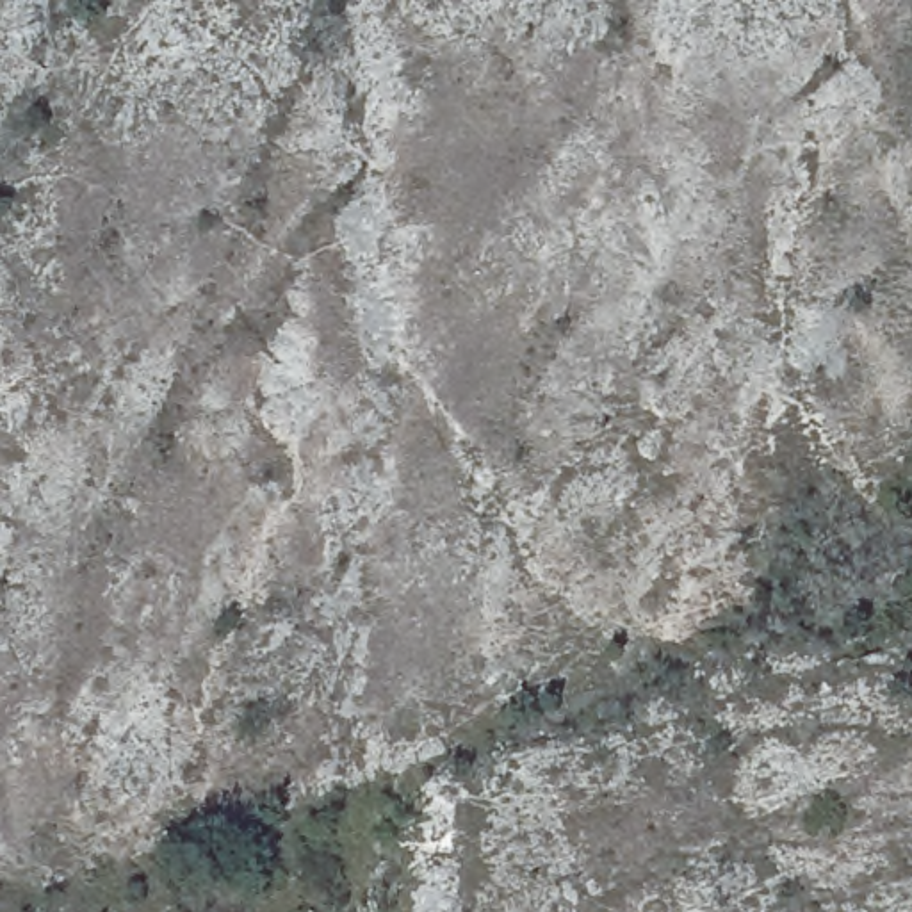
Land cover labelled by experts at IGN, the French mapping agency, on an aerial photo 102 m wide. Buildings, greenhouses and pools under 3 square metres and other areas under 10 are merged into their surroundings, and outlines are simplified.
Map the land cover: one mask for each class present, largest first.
<instances>
[{"label":"bare soil","instance_id":"1","mask_svg":"<svg viewBox=\"0 0 912 912\"><path fill-rule=\"evenodd\" d=\"M346 11L356 50L338 53L335 61H321L314 68V82L303 89L289 132L278 139L281 150L271 160V228L264 239H257L242 224L239 185L249 164H257L260 157L267 107H278V93L299 75V57H292L289 39L306 29L310 7L303 0H110L103 14L121 18L128 29L114 39V53H100V43L93 39L82 18H75L64 29H50L46 0H0V125L11 114V100L21 89H36L43 100H50L53 118L64 121L57 146L32 150L29 175H21L14 189L0 185V876L11 884L64 894V880H75L82 869H93L100 855L139 859L157 844L164 834L171 819L207 802L214 791L228 787H274L278 802H285L289 809H303L328 798L335 784L356 787L374 780L381 770L406 773L413 762L442 755L445 745L460 734V727L477 723L485 713H495L502 702H509L520 691V684L563 680L591 673L595 656H602L609 641L623 652L613 659L609 670L627 673L634 670V663L648 659L663 641H684L691 631L713 623L720 609L748 602L752 588L745 584V556L727 559V549L737 542V506L730 492L752 488L745 474L748 452H777L780 420L787 428L802 424L805 445L809 452H816V463L844 470L859 499L869 506L880 499V477H866L862 470L880 463H901L912 449V143L894 125L898 100H887L880 93V82L894 75L891 57L898 46H905V32L912 29V0H349ZM267 264L296 267V285L289 289L292 317L278 328L271 349L260 356H224L207 371L203 395L192 406L171 403L167 388L175 378V353L185 346L192 324H232L239 314L264 310V296L257 289ZM249 698H289L296 709L285 720H271V727L260 737H239L235 723L242 716V702ZM891 680L884 673L873 684H823L819 695L787 688L780 702H766L755 713L723 709V730L713 741L695 727H677L670 702L652 698L645 713L648 723H663V734L634 741L609 734L606 748L616 752L609 762L584 770L588 745L574 737L545 748L499 752L492 777L481 780V791H467L456 777H431L424 784V823L410 819L403 841L371 844L374 869L367 873V905H353L356 912H581L577 891L556 887V876L570 873L574 866V848L563 827L566 812H588L595 809L599 791H620L634 762L663 759L677 773H695L702 770V762H695V755L688 752L695 741L702 748L723 752L730 745V730L794 723H869V737L862 741L859 734H827L819 745H812L809 755H802L791 745L766 741L748 759H741L734 802L745 805L748 816L780 812L787 823L773 830L770 855L777 869L770 876H755L752 866H720V837L688 844L691 880H677L680 912H912V713H901L894 698H887ZM456 805H485L492 819L488 830H481V851L492 866V876L481 884V891H467L460 884V866L452 851Z\"/></svg>","mask_w":912,"mask_h":912},{"label":"herbaceous vegetation","instance_id":"2","mask_svg":"<svg viewBox=\"0 0 912 912\"><path fill-rule=\"evenodd\" d=\"M310 7L306 29L289 39L292 57H299V75L278 93V107H267L260 157L257 164H249L239 185L242 224L257 239H264L271 228V160L281 150L278 139L289 132L303 89L314 82V68L321 61H335L338 53L356 50L346 11L349 0H303ZM894 75L880 82V93L887 100H898L894 125L912 143V29L905 32V46H898L891 57ZM64 121L53 118L50 100H43L36 89H21L11 100V114L0 125V185L14 189L21 175H29L32 150L57 146ZM296 285V267L267 264L257 289L264 296V310L239 314L232 324H192L185 346L175 353V378L167 388L171 403L192 406L203 395L207 371L224 356H260L271 349L278 328L292 317L289 289ZM745 474L752 488L730 492L737 506V542L727 549V559L745 556V584L752 588L770 570V545L777 524L784 520H802V534H812V574H805L798 584L812 613L844 616L851 606H859V599L873 606H891L898 599L894 581L912 566V538L901 534L894 524L880 520L869 506L859 499L844 470L816 463V452H809L805 445L802 424L787 428L780 420L777 452H748ZM752 613L748 602L720 609L713 623L691 631L684 641H663L648 659L634 663V670L627 673L609 670L613 659L623 652L609 641L602 656H595L591 673L563 680V702L534 720L517 713L509 702H502L495 713H485L477 723L460 727V734L445 745L442 755L413 762L406 773L381 770L374 780L356 787L335 784L328 798L303 809H289L285 802H278L274 787H228L214 791L207 802L171 819L164 834L178 844L189 841L192 823L210 816H221L239 830H246L253 816L264 819L281 834V844L257 862L267 894L242 905L217 898L203 887H182L171 880V855L157 844L139 859L100 855L93 869H82L75 880H64V894L11 884L0 876V912H356L353 905H367V873L374 869L371 844L403 841L410 819L424 823V784L431 777H456L467 791H481V780L492 777L499 752L545 748L574 737L588 745L584 770L609 762L616 752L606 748L609 734L634 741L663 734V723H648L645 713L652 698L670 702L677 727H695L713 741L723 730V709L755 713L766 702H780L787 688L819 695L823 684H873L884 673L891 680L894 663H869L866 656L834 659L823 641H809L794 623L784 620H770V627L780 634V645L773 638H762L745 620ZM296 709L289 698H249L242 702V716L235 723L239 737H260L271 727V720H285ZM827 734H859L862 741L869 737V723H794L730 730V745L723 752L702 748L695 741L688 752L695 755V762H702V770L695 773H677L663 759L634 762L620 791H599L595 809L588 812H566L563 827L574 848V866L570 873L556 876V887L577 891L581 912H680L677 880H691L688 844L720 837V866H752L755 876H770L777 869L770 855L773 830L787 823L780 812L748 816L745 805L734 802L741 759H748L766 741L791 745L802 755H809L812 745H819ZM492 819L485 805H456L452 851L460 866V884L467 891H481V884L492 876V866L481 851V830H488Z\"/></svg>","mask_w":912,"mask_h":912},{"label":"brushwood","instance_id":"3","mask_svg":"<svg viewBox=\"0 0 912 912\"><path fill-rule=\"evenodd\" d=\"M50 29H64L75 18H82L93 39L100 43V53H114V39L128 29L121 18L103 14L110 0H46ZM866 477H880V499L869 506L880 520L894 524L901 534L912 538V449L901 463H880L862 470ZM812 534H802V520H784L777 524L770 545V570L752 588L748 602L752 613L745 620L762 638H773L780 645V634L770 627V620H784L794 623L809 641H823L834 659L866 656L869 663H894L891 680L887 698H894L901 713H912V566L894 581L898 599L891 606H873L859 599V606H851L844 616L812 613L798 584L805 574H812ZM563 702V680L520 684V691L509 702L517 713L534 720Z\"/></svg>","mask_w":912,"mask_h":912},{"label":"deciduous trees","instance_id":"4","mask_svg":"<svg viewBox=\"0 0 912 912\"><path fill-rule=\"evenodd\" d=\"M157 844L171 855V880L182 887H203L217 898L242 905L267 894L257 862L281 844V834L264 819L253 816L246 830H239L221 816H210L192 823L189 841L178 844L164 834Z\"/></svg>","mask_w":912,"mask_h":912}]
</instances>
